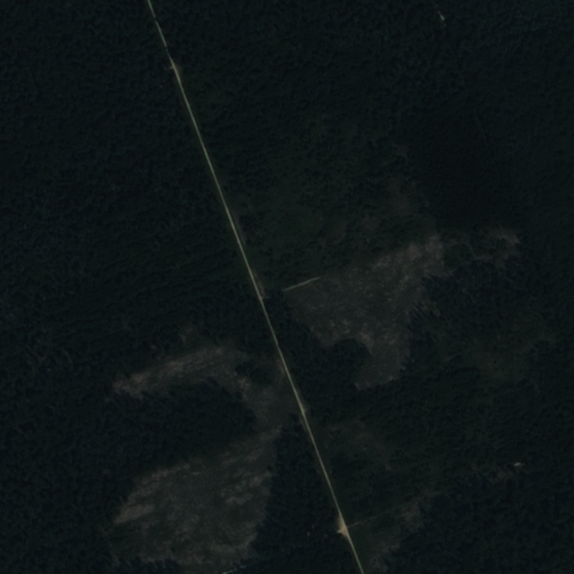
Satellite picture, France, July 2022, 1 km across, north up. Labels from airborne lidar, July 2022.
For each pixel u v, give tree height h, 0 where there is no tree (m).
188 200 6
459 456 15
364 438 0
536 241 25
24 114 11
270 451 0
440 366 8
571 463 22
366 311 0
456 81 17
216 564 0
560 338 10
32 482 31
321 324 0
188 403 29
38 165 27
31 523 7
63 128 25
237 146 9
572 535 9
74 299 11
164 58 12
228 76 7
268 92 9
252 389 0
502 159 18
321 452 0
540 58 31
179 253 7
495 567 30
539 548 27
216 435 25
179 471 0
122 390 0
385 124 10
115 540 7
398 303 0
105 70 27
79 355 28
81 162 25
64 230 12
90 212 26
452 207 23
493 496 27
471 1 26
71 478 23
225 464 0
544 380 11
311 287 0
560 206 27
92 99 27
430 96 14
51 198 11
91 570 7
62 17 27
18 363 9
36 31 24
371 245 7
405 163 13
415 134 23
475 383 19
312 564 29
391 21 32
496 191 19
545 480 24
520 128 24
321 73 12
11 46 26
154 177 30
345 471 12
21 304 18
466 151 22
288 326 24
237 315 27
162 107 17
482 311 29
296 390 0
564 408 22
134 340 28
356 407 13
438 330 26
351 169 10
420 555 25
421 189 11
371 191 15
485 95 22
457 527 29
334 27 29
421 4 8
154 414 26
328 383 29
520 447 13
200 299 9
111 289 11
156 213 7
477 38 22
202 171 18
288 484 30
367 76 12
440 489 11
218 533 0
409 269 0
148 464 29
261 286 0
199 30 17
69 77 25
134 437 26
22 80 31
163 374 0
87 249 8
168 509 0
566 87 28
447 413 12
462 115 25
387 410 10
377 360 0
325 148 14
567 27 20
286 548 29
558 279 27
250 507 0
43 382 30
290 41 8
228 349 0
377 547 0
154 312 10
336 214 7
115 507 31
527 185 25
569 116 27
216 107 13
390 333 0
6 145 30
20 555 28
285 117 14
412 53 27
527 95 25
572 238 28
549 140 28
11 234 29
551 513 30
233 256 10
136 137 29
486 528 24
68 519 25
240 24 28
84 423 27
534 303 25
